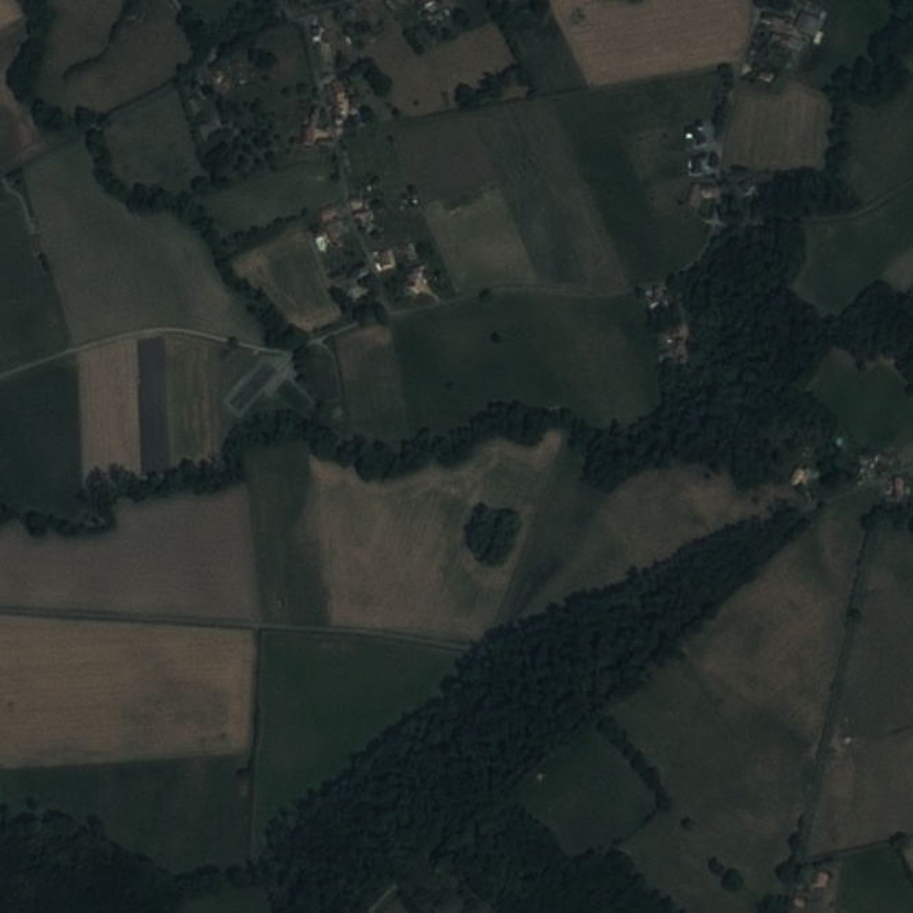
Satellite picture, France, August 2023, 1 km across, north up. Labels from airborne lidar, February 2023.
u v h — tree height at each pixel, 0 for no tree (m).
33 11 23
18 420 0
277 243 0
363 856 25
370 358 0
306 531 0
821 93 0
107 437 0
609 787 0
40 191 0
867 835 0
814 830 0
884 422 0
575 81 0
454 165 0
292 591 0
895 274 0
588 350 0
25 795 0
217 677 0
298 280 0
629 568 0
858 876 0
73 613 0
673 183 0
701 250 0
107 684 0
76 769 0
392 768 29
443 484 0
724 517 0
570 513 0
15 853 20
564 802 0
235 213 0
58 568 0
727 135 0
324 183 0
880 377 0
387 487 0
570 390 0
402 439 0
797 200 33
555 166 0
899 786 0
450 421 0
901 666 0
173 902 11
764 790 0
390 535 0
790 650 0
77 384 0
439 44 0
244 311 0
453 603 0
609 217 0
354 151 0
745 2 0
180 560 0
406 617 0
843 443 0
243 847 0
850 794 0
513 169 0
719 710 0
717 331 9
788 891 0
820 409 21
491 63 0
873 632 0
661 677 0
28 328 0
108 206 0
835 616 0
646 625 15
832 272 0
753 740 0
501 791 27
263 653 0
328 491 0
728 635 0
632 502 0
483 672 32
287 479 0
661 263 0
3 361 0
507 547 20
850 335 15
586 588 0
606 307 0
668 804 18
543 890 24
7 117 0
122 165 0
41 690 0
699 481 0
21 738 0
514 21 14
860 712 0
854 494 0
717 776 0
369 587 0
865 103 20
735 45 0
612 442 16
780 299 21
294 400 0
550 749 19
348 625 0
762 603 0
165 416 0
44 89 0
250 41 18
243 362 0
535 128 0
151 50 0
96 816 0
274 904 13
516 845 26
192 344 0
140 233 0
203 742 0
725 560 11
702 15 0
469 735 31
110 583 0
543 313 0
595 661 22
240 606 0
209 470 20
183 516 0
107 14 0
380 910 0
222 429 0
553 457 0
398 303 5
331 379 0
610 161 0
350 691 0
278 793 0
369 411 0
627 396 0
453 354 0
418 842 26
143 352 0
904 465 0
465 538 0
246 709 0
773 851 0
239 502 0
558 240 0
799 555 0
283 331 12
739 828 0
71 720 0
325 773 0
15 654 0
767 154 0
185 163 0
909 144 0
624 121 0
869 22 0
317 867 26
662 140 0
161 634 0
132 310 0
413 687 0
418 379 0
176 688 0
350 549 0
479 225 0
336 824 24
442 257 0
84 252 0
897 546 0
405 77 0
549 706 32
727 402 29
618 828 0
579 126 0
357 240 0
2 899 10
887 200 0
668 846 0
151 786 0
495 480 0
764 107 0
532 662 29
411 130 0
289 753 0
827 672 0
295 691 0
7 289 0
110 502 32
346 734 0
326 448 30
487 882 22
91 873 15
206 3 0
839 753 0
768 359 15
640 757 13
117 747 0
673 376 23
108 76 0
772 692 0
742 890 14
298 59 0
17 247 0
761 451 17
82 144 0
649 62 0
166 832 0
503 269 0
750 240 12
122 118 0
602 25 0
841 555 0
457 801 32
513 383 0
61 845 15
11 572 0
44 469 0
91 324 0
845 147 17
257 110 10
